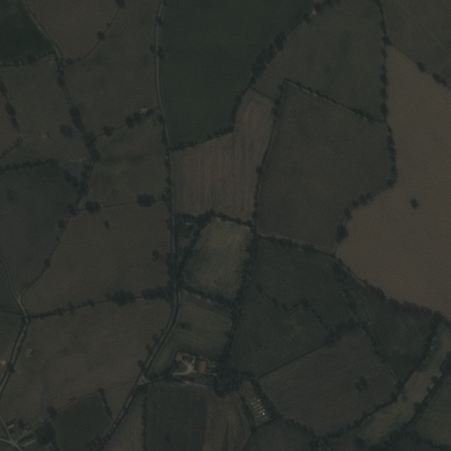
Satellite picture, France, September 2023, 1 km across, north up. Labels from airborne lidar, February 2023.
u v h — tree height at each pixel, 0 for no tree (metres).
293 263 0
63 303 0
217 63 0
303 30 0
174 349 0
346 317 0
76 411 0
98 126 0
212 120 0
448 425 0
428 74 0
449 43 0
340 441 0
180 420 0
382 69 8
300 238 0
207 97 0
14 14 0
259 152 0
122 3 17
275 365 0
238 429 0
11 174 0
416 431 0
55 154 0
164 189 0
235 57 0
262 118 0
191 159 0
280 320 0
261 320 0
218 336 0
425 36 0
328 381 0
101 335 0
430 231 0
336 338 11
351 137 0
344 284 14
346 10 0
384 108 13
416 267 0
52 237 0
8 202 0
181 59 0
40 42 0
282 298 0
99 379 0
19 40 0
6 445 0
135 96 0
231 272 0
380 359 13
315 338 0
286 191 0
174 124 0
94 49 0
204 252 0
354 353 0
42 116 0
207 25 0
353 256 0
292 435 0
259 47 0
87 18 0
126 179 0
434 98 0
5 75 0
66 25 0
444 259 0
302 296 0
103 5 0
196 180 0
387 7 0
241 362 0
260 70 14
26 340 0
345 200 0
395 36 0
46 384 0
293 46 0
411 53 0
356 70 0
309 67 0
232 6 0
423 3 0
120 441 0
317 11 12
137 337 0
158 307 0
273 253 0
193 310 0
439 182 0
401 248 0
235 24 0
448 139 0
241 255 0
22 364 0
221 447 0
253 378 15
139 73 0
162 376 13
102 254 0
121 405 0
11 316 0
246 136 0
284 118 0
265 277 0
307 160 0
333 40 0
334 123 0
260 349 0
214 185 0
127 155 0
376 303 0
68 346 0
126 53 0
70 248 0
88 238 0
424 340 0
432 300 0
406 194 0
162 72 0
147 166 0
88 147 14
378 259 0
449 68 0
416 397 0
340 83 0
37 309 0
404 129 0
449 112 0
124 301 14
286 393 0
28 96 0
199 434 0
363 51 0
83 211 0
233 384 13
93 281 0
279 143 0
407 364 0
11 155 0
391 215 0
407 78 0
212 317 0
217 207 0
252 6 0
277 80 0
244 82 0
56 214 0
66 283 0
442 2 0
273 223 0
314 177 0
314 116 0
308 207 0
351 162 0
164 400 0
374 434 0
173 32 0
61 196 0
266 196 0
